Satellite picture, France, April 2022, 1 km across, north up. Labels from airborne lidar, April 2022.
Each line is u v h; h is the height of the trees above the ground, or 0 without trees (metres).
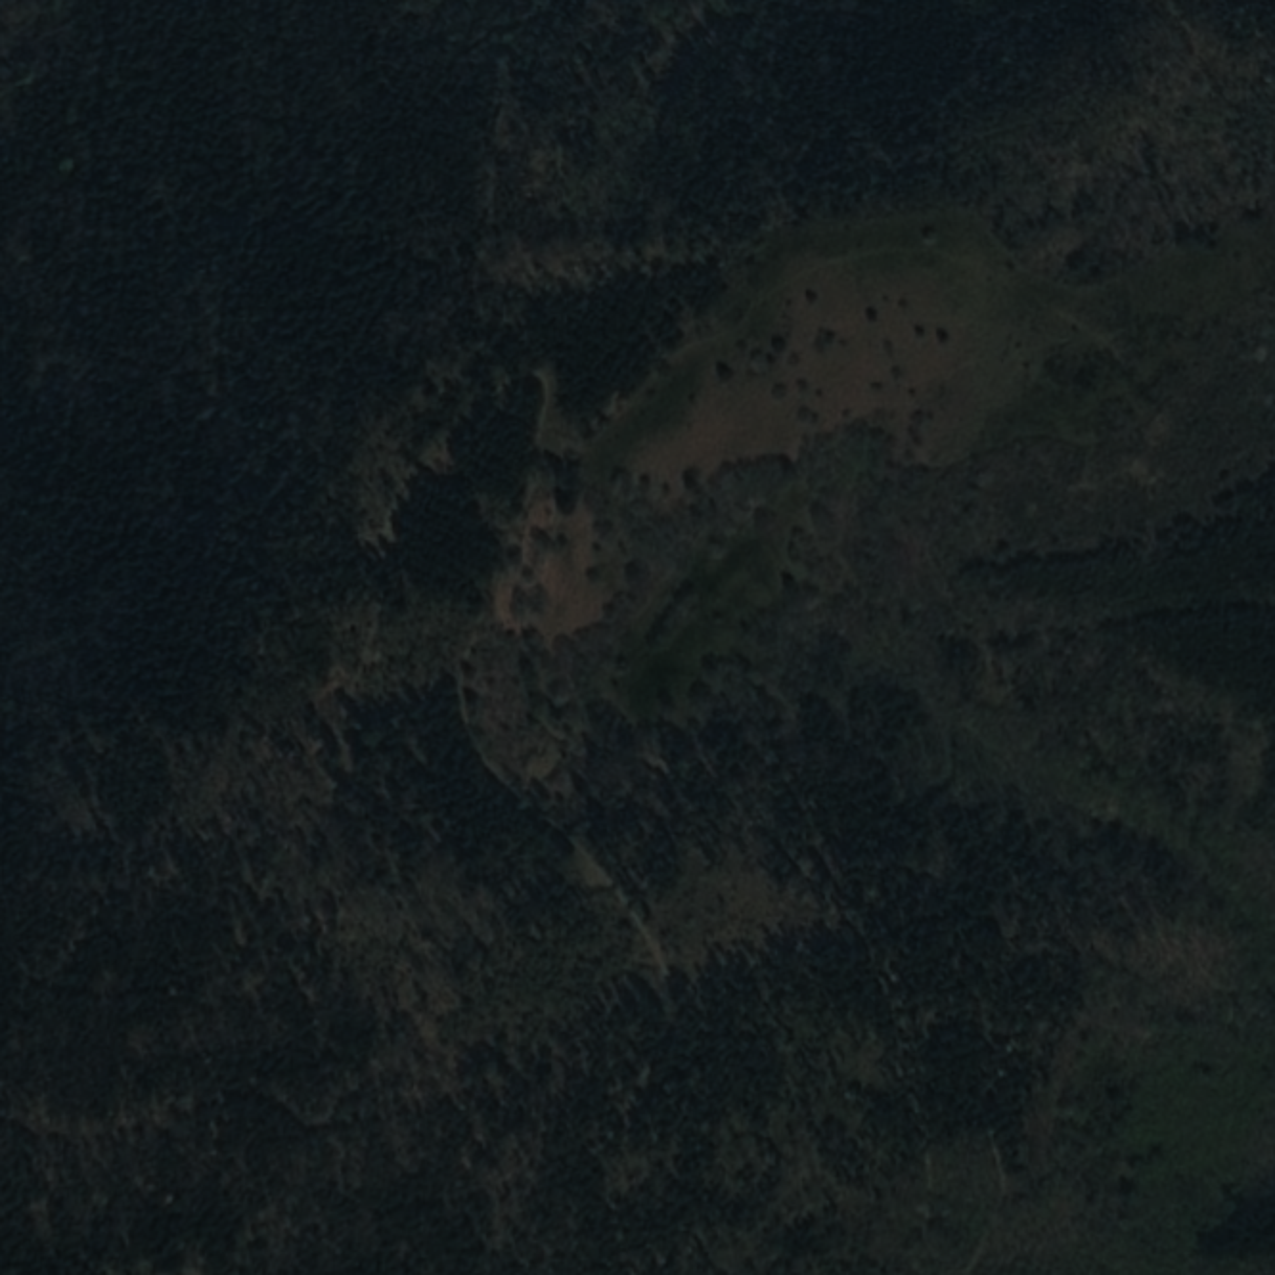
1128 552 17
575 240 18
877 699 30
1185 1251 19
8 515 28
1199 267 0
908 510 15
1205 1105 19
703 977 0
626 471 10
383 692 8
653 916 34
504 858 8
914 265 0
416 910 25
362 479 7
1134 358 5
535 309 26
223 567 24
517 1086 27
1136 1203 21
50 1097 19
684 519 20
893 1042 31
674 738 17
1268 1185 27
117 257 28
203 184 29
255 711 11
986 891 26
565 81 23
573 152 17
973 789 30
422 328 17
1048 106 12
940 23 16
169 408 27
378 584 27
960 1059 30
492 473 24
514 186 15
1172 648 22
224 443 21
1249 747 17
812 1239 14
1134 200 21
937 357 0
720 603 0
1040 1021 30
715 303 17
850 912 7
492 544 22
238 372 14
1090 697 17
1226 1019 21
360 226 25
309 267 22
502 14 25
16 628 26
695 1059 28
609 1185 27
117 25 27
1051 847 19
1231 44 10
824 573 10
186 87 27
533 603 12
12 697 29
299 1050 21
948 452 0
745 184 12
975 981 24
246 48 20
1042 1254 7
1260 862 22
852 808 34
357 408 19
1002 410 0
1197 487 0
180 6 21
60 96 29
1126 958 20
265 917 29
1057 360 0
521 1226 15
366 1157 19
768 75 23
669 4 27
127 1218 22
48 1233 16
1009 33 17
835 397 0
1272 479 8
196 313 22
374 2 19
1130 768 20
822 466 17
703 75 30
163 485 27
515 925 18
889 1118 34
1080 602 16
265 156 26
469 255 19
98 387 24
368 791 22
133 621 30
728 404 0
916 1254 17
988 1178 13
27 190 24
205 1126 25
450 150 18
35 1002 12
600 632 8
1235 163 10
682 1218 25
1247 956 22
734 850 31
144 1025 23
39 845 21
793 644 22
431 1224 25
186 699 22
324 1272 25
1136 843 15
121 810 6
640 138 32
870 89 25
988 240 0
